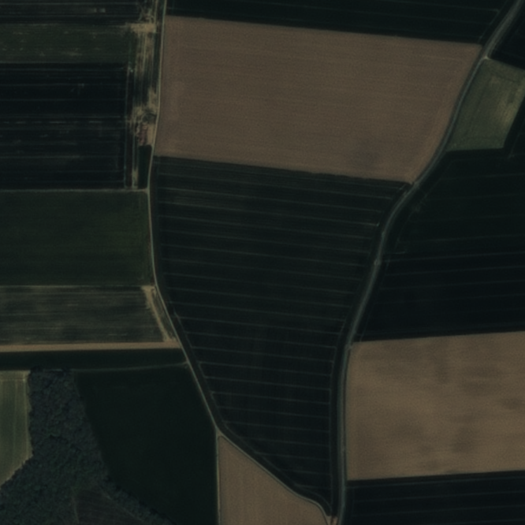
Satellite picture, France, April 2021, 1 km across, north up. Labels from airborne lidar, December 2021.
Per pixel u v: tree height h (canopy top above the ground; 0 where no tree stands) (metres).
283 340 0
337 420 0
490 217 0
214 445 0
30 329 0
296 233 0
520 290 0
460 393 0
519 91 0
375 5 0
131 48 0
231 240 0
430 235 0
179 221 0
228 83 0
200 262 0
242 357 0
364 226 0
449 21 0
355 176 0
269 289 0
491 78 0
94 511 0
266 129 0
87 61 0
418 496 0
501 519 0
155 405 0
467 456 0
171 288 0
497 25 0
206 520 0
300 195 0
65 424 22
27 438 0
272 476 0
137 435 0
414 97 0
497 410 0
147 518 21
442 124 0
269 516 0
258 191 0
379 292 0
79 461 23
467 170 0
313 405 0
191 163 0
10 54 0
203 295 0
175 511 0
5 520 23
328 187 0
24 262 0
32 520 26
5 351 0
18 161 0
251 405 0
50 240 0
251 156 0
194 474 0
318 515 0
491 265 0
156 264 0
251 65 0
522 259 0
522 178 0
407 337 0
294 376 0
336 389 0
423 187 0
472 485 0
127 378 0
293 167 0
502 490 0
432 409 0
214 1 0
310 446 0
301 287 0
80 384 0
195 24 0
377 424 0
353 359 0
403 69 0
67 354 0
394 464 0
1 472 0
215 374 0
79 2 0
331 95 0
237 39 0
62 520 25
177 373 0
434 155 0
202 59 0
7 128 0
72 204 0
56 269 0
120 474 0
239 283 0
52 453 22
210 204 0
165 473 0
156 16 0
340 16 0
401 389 0
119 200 0
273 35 0
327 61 0
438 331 0
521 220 0
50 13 0
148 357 0
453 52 0
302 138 0
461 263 0
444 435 0
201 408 0
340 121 0
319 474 0
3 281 0
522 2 0
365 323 0
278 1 0
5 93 0
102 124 0
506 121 0
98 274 0
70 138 0
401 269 0
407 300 0
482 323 0
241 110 0
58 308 0
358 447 0
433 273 0
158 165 0
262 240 0
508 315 0
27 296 0
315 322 0
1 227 0
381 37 0
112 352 0
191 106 0
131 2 0
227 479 0
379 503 0
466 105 0
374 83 0
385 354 0
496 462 0
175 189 0
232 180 0
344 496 0
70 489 23
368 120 0
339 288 0
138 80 0
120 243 0
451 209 0
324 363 0
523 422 0
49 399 20
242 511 0
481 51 0
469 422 0
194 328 0
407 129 0
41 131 0
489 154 0
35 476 24
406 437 0
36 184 0
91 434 23
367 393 0
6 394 0
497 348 0
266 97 0
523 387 0
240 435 0
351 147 0
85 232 0
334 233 0
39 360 0
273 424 0
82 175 0
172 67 0
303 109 0
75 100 0
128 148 0
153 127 0
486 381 0
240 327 0
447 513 0
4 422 0
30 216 0
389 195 0
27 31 0
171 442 0
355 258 0
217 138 0
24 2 0
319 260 0
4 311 0
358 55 0
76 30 0
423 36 0
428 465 0
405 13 0
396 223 0
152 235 0
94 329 0
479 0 0
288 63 0
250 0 0
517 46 0
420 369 0
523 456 0
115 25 0
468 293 0
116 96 0
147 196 0
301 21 0
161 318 0
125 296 0
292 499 0
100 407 0
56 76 0
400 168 0
